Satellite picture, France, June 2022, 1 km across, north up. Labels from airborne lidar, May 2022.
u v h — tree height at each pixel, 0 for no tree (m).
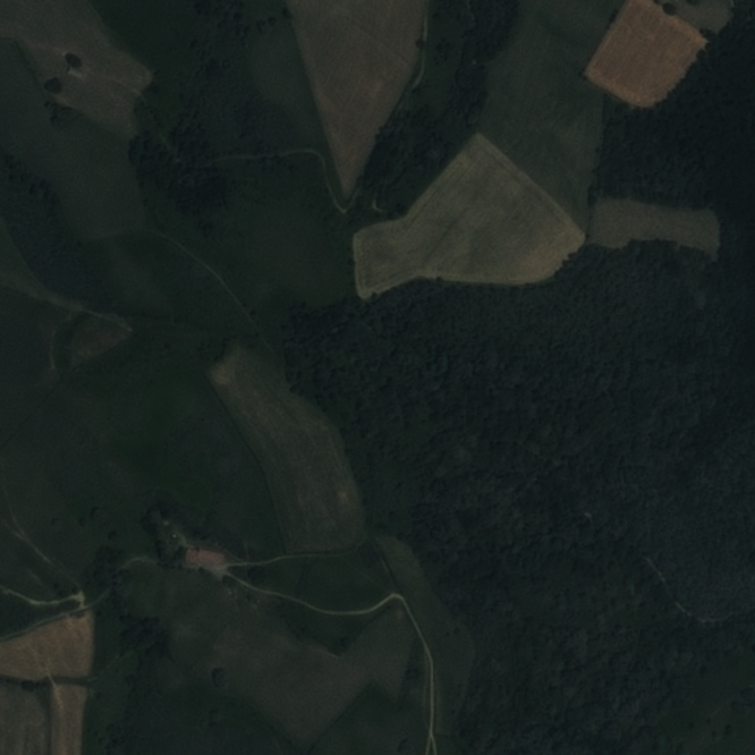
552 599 6
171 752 0
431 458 16
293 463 0
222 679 13
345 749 0
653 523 16
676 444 18
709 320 15
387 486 6
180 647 0
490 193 0
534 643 11
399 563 0
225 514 0
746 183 31
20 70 0
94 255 0
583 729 21
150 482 0
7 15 0
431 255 0
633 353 8
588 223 0
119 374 0
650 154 15
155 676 0
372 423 17
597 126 0
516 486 13
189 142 19
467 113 11
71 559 0
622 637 20
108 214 0
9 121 0
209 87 10
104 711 0
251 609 0
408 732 0
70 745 0
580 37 0
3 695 0
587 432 14
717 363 21
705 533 19
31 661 0
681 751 13
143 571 0
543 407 12
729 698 0
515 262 0
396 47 0
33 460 0
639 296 9
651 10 0
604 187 6
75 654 0
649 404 15
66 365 0
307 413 0
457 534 15
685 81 14
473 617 7
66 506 0
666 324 9
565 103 0
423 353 19
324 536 0
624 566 11
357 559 0
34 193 14
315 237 0
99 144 0
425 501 6
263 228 0
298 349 10
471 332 10
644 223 0
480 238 0
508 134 0
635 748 12
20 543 0
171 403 0
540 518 21
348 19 0
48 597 0
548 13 0
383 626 0
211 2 16
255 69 0
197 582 0
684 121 32
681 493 16
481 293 8
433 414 7
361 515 0
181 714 0
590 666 17
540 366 22
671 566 18
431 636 0
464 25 8
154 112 6
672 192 19
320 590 0
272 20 10
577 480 17
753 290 24
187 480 0
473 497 20
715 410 24
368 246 0
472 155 0
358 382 14
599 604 15
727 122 33
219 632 0
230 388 0
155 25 0
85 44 0
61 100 0
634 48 0
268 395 0
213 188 16
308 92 0
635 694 11
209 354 8
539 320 8
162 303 0
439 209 0
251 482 0
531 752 24
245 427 0
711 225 0
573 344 10
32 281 0
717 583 18
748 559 13
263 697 0
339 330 10
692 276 21
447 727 0
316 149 0
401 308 11
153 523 12
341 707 0
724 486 20
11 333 0
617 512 21
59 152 0
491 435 11
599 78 0
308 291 0
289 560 0
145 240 0
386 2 0
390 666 0
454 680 0
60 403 0
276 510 0
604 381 21
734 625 26
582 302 9
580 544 13
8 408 0
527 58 0
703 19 0
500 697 14
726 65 24
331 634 0
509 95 0
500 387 15
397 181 8
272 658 0
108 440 0
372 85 0
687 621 11
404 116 7
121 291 0
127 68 0
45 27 0
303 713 0
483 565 27
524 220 0
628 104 10
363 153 0
